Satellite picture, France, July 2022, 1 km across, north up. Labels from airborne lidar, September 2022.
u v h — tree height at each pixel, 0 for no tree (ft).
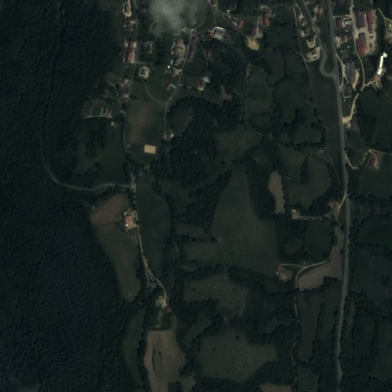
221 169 0
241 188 0
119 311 54
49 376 40
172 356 0
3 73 53
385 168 0
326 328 0
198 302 26
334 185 28
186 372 51
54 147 62
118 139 0
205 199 23
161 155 39
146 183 0
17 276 54
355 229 51
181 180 51
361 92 43
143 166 56
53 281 66
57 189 58
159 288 36
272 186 0
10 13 67
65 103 82
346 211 0
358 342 35
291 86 0
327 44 0
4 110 71
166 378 0
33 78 60
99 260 57
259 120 0
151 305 38
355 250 35
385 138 0
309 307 0
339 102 0
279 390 0
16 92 70
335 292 0
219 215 0
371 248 49
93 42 45
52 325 29
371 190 0
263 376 19
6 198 70
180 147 48
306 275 0
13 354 35
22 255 59
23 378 33
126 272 0
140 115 0
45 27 45
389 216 42
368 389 33
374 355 51
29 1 91
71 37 76
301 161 0
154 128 0
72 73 69
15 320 33
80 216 69
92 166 0
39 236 33
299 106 0
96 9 40
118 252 0
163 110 0
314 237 0
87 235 72
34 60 32
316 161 0
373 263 0
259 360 0
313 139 0
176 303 27
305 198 0
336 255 0
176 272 39
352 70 0
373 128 27
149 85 0
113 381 60
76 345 52
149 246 0
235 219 0
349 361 35
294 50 39
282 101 0
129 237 0
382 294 0
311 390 0
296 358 44
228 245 0
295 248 0
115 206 0
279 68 0
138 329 0
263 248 0
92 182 69
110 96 19
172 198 60
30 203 80
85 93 64
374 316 47
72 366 59
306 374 0
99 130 39
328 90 0
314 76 0
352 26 0
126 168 61
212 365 0
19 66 52
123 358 66
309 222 20
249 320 52
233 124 36
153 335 0
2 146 44
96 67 62
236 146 0
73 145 39
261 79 0
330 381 26
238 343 0
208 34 32
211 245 0
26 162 41
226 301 0
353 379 53
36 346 72
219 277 0
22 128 69
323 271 0
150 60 46
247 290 0
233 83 46
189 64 0
